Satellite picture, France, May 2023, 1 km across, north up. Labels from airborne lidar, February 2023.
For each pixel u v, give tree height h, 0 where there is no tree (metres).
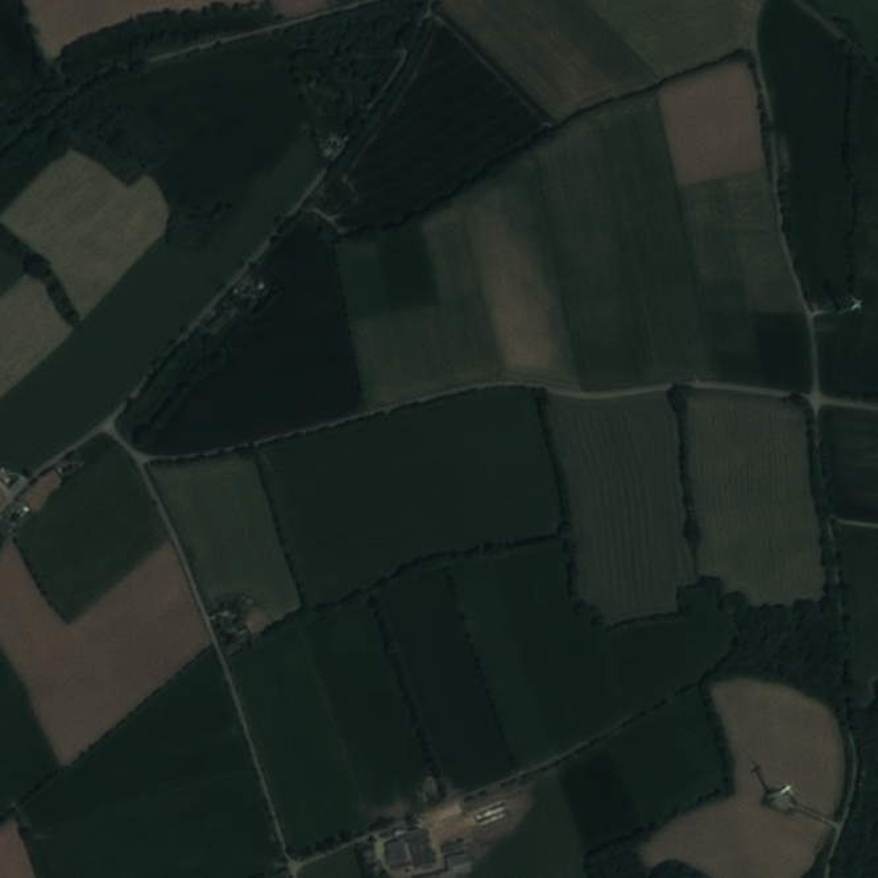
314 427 0
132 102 0
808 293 7
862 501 0
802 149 0
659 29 0
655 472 0
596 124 0
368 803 0
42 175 0
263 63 0
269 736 0
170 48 9
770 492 0
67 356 0
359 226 0
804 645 15
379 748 0
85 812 0
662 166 0
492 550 14
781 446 0
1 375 0
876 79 13
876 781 10
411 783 0
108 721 0
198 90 0
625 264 0
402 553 0
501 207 0
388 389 0
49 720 0
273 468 0
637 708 0
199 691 0
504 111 0
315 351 0
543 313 0
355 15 7
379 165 0
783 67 0
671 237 0
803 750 0
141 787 0
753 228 0
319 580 0
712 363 0
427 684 0
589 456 0
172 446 0
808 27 0
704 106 0
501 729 6
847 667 10
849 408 0
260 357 0
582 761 0
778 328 0
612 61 0
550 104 0
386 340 0
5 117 0
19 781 0
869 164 0
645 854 0
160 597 0
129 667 0
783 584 0
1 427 0
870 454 0
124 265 0
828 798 0
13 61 0
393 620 0
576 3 0
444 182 0
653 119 0
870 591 0
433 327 0
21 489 0
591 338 0
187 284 0
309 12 0
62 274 0
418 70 0
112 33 12
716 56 0
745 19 0
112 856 0
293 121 0
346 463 0
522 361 0
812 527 0
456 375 0
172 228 8
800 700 0
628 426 0
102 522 0
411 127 0
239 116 0
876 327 0
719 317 0
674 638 0
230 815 0
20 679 0
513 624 0
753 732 0
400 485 0
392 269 0
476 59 0
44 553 0
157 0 0
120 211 0
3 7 0
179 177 0
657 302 0
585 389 0
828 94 0
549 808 0
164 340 0
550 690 0
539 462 0
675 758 0
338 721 0
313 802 0
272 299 13
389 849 0
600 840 0
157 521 0
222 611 8
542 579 0
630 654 0
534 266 0
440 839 0
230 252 0
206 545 0
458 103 0
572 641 0
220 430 0
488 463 0
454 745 0
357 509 0
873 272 0
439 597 0
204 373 13
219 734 0
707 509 0
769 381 0
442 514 0
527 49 0
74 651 0
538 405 8
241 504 0
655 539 0
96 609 0
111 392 0
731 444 0
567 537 14
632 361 0
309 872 0
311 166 0
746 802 0
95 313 0
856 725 14
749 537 0
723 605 11
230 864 0
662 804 0
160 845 0
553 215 0
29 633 0
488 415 0
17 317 0
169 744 0
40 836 0
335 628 0
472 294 0
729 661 9
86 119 16
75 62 18
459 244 0
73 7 0
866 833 8
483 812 0
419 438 0
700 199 0
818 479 10
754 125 0
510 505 0
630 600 0
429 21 6
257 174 0
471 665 0
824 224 0
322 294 0
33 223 0
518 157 12
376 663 0
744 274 0
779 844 0
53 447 0
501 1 0
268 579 0
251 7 7
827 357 0
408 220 13
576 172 0
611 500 0
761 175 0
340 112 10
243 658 0
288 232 10
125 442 0
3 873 0
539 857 0
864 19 0
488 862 0
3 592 0
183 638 0
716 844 0
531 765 0
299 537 0
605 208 0
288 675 0
